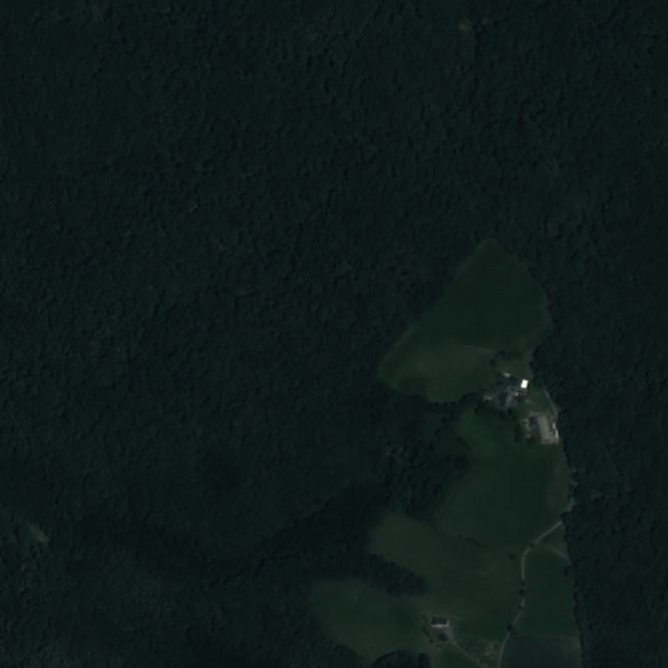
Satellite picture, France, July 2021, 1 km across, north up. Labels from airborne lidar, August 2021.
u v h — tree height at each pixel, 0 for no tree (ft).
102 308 78
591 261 33
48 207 75
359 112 67
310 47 33
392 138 86
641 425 79
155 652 59
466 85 96
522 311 0
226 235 85
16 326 78
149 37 75
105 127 81
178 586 25
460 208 71
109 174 98
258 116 67
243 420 86
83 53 65
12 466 63
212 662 87
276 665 41
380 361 56
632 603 31
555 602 0
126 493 68
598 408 85
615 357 89
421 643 0
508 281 0
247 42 71
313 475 86
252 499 66
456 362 0
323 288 60
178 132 69
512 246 58
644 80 80
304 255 86
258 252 52
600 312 75
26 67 88
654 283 79
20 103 76
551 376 52
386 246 71
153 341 100
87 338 73
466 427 0
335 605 0
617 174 94
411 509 71
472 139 78
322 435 70
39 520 52
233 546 73
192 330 47
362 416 84
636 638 45
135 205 56
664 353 69
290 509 78
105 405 74
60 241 66
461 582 0
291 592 75
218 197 72
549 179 76
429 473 111
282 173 87
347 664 50
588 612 49
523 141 84
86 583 48
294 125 71
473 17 107
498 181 61
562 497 0
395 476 85
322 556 81
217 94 72
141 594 34
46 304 71
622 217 99
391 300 55
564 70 71
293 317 61
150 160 91
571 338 81
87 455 63
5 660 106
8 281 65
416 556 0
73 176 98
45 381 82
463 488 0
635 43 95
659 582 57
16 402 52
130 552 55
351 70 93
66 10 81
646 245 97
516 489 0
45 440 64
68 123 77
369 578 58
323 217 53
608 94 77
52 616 63
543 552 0
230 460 79
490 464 0
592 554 61
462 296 0
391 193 78
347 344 69
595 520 74
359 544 68
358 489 71
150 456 60
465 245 70
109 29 82
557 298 63
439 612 0
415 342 0
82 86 64
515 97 77
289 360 47
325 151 81
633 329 98
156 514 95
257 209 83
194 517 78
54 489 94
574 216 69
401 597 29
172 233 76
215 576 56
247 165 80
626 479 82
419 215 76
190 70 59
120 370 85
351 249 92
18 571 100
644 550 72
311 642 55
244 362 84
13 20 75
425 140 78
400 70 66
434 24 71
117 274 75
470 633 0
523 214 41
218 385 62
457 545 0
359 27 96
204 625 39
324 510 30
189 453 71
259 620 77
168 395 55
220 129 78
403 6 65
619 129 78
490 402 49
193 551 44
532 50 38
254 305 68
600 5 86
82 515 83
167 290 74
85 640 58
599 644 54
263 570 68
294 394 71
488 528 0
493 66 85
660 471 81
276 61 68
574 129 77
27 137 104
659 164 56
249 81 69
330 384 60
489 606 0
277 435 57
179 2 88
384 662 59
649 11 72
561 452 0
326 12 68
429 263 80
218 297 68
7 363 76
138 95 70
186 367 75
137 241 84
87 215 55
